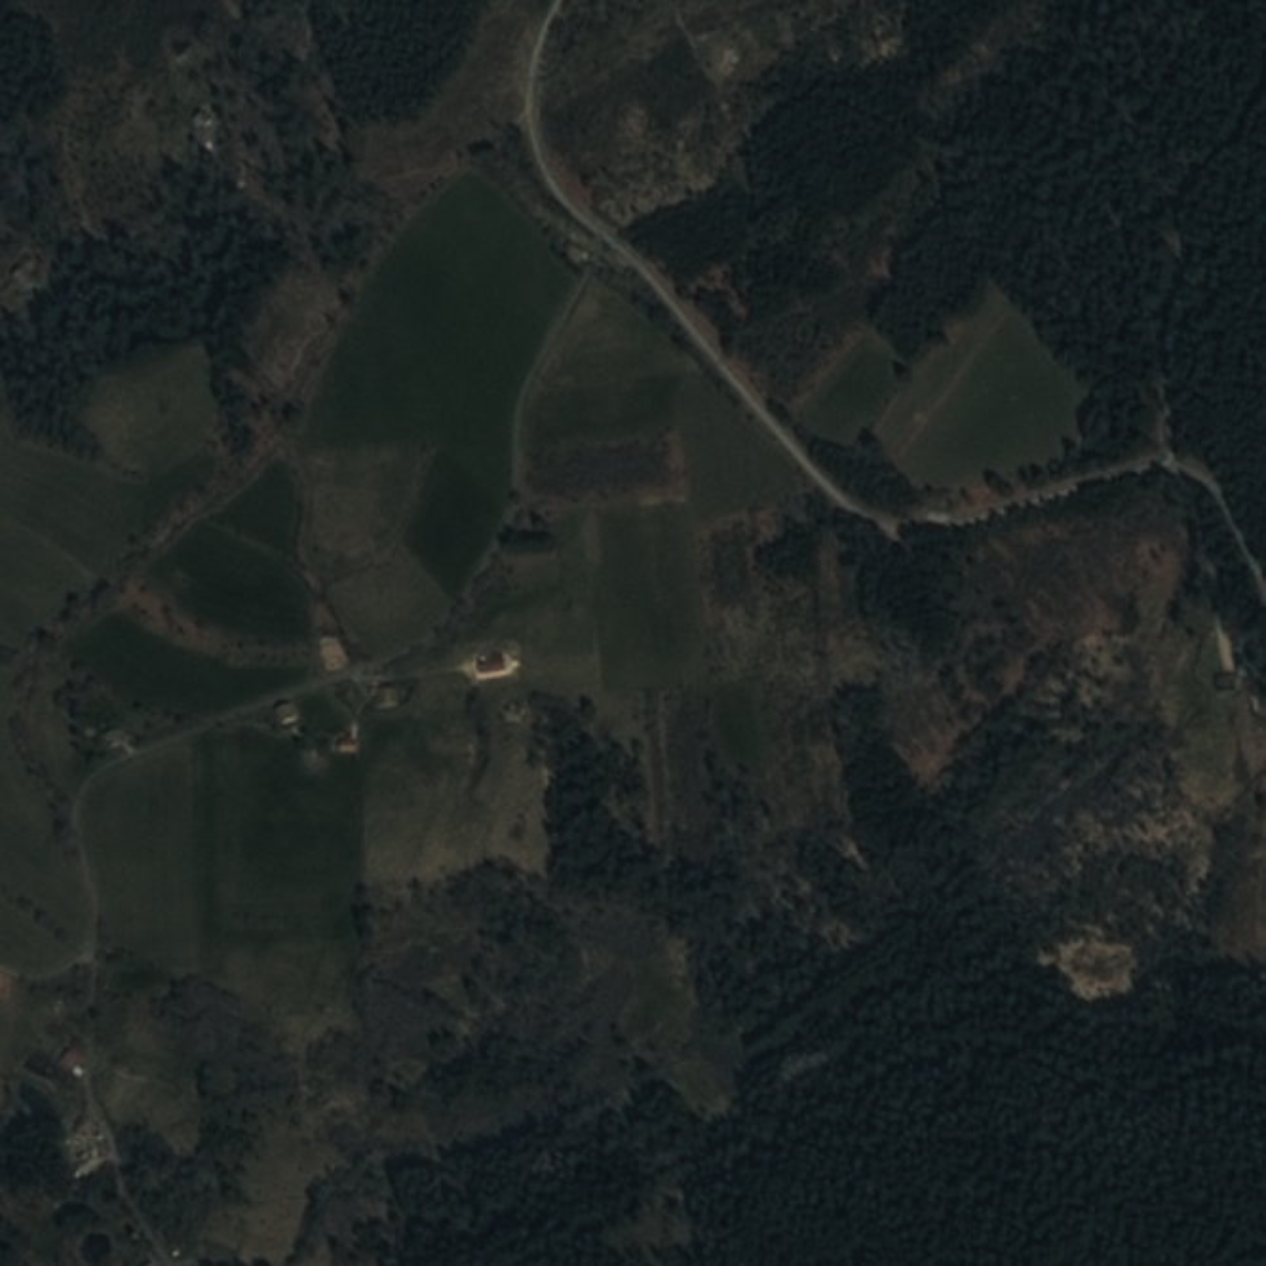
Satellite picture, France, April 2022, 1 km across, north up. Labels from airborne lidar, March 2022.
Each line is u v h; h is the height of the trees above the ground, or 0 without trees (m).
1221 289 24
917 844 21
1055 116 21
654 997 0
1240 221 25
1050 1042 22
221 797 0
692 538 0
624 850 13
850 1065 13
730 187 11
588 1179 22
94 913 0
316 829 0
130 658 0
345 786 0
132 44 8
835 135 12
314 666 0
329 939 0
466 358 0
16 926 0
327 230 19
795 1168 23
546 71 9
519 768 0
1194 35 36
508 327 0
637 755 5
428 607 0
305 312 0
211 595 0
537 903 17
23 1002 0
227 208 20
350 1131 6
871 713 23
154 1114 0
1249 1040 12
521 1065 17
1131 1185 24
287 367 0
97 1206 24
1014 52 32
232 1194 20
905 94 18
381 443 0
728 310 11
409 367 0
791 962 19
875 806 15
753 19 0
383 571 0
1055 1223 25
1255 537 22
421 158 0
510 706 0
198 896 0
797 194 15
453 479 0
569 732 9
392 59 26
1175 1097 26
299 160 26
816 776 0
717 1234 27
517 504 12
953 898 24
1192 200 25
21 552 0
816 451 13
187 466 0
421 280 0
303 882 0
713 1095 0
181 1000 15
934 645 19
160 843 0
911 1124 25
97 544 0
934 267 20
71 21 10
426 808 0
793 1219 24
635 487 0
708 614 0
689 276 11
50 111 20
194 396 0
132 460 0
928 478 0
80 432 16
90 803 0
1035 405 0
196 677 0
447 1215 25
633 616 0
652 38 0
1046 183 20
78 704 7
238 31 8
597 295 0
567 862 23
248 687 0
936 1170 27
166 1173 19
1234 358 30
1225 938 26
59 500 0
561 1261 26
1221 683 0
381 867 0
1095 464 22
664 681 0
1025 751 22
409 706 0
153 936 0
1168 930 11
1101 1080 24
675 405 0
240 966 0
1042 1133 20
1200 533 17
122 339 22
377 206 20
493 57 0
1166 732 19
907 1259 22
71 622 17
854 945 8
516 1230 15
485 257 0
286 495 0
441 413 0
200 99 0
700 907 17
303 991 0
